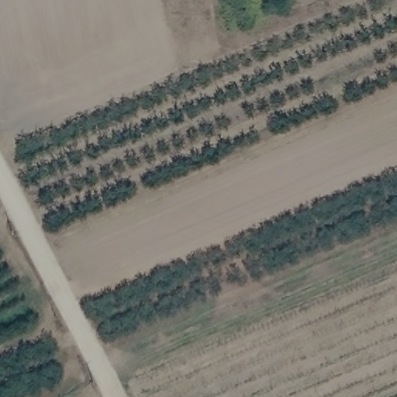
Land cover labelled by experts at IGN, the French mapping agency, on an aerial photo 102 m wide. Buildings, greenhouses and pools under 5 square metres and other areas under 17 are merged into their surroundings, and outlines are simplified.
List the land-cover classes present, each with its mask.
<instances>
[{"label":"agricultural land","instance_id":"1","mask_svg":"<svg viewBox=\"0 0 397 397\"><path fill-rule=\"evenodd\" d=\"M219 5V0H0V154L9 166L16 161L14 157L17 136L42 127L62 126L67 119L78 113H91L105 107L109 101L119 102L121 98H133L144 91L152 90L154 84L166 81L169 74L177 81L181 73H191L200 64L214 62V53L219 51L220 47L217 42L219 28L216 23V6ZM397 166V82L375 90L372 95L363 96L360 101L347 102L344 107H338L329 115H318L287 132L274 133L270 140L259 141L251 146L237 147L233 154L226 155L219 163L206 164L189 172L185 177L174 178L166 185L157 188H147L143 185L136 189L135 195L127 198L126 202H119L112 208L101 209L96 214H88L85 219L74 220L70 225L60 228L57 233H45L57 264L70 284L71 292L81 301L82 296L96 295L105 288H115L119 282L132 281L136 274H149L157 265L169 264L175 259L183 261L194 251H205L212 245L219 247L220 243L225 242L240 231L259 228L262 222L279 216L282 212L290 211L293 214L299 205H312L313 198L343 191L350 183L366 177H375L388 167ZM276 318L268 316L259 323L242 327L236 335H222L219 332L209 335L197 343L172 352L167 358H160L149 366L138 369L129 381V388L124 389L121 397H397V273L391 274L378 284L364 285L354 292L329 299L326 304L312 307L306 312L298 309L287 310L276 313Z\"/></svg>","mask_w":397,"mask_h":397},{"label":"deciduous trees","instance_id":"2","mask_svg":"<svg viewBox=\"0 0 397 397\"><path fill-rule=\"evenodd\" d=\"M233 8L237 28L240 31L253 28L256 20L251 19L245 11L247 0H222ZM295 5V0H262V11L278 16H290V8ZM360 17L366 19V9L361 8V5L352 8L343 6L337 16L324 14L315 22L296 25L293 33L285 34L284 39L274 36L261 47L254 45L253 50L231 54L226 59L214 62L200 64L191 73H181L177 81L169 74L166 81L154 84L152 90L144 91L133 98H121L119 102L109 101L105 107L91 113H78L67 119L62 126L42 127L17 136L14 157L16 161L9 166L23 188L34 185L42 177H50L60 169L64 171L65 167L71 164L76 166L84 158H98L102 152L123 146L127 141L140 140L146 133L149 135L157 130L166 129L171 124L181 123L185 116L194 118L203 110H208L211 105L225 104L226 101L239 98L237 85L231 82L226 87L216 90L212 96L192 99L181 107H172L169 115L164 118L155 116L143 119L141 124L123 129L121 132H113L112 136H99L98 143L87 144L85 149L60 152L57 160L33 166V158L36 155L47 154L48 150L64 146L65 141L76 140L88 132L105 129L116 121H123L127 116L135 115L138 110L152 109L166 101L167 96H180L181 91H194L195 87H206L209 82L222 78L223 74L234 73L240 67H248L251 62L264 60L265 57L278 54L279 51L288 50L295 43L309 42L315 33H324L327 29L332 31L338 26L349 25ZM397 31V16L386 17L385 23L366 26L350 36L346 34L337 40H330L309 54H301L285 62L271 64L270 71H257L253 76H243L240 79L243 90L250 95L257 87L281 81L284 74L298 73L299 68H309L312 64L323 62L327 57L354 50L360 47L361 43H369L375 37L381 39L386 33ZM374 56H375V60H377V62H383V60H385V59H386V57H391V56H397V47H395V43H394V42H391V43H389V45H388V48H385V50H375V51H374ZM397 82V67L394 65L388 70L377 71V78L364 79L361 84L347 82L343 91L344 101L347 102L360 101L363 96L372 95L375 90ZM312 79H302L299 84L288 85L285 90L273 91L268 98L243 102L242 109L245 115L251 118L264 112L268 118V130L274 133L287 132L318 115H329L338 107L333 96L323 95L310 104L301 105L299 109L290 112L282 110L285 101H292L299 95H307L312 91ZM189 140L194 141L197 136L212 135L211 123H200L197 127H189L186 130ZM259 141L257 130H248L247 133H240L234 138H223L217 141L216 146L203 144L202 149L191 150V154L186 157H174L171 163L160 164L152 171L144 172L141 175L143 185L147 188H157L166 185L174 178L185 177L189 172L206 164L219 163L226 155L233 154L237 147L251 146ZM169 149L163 140H160L155 146L141 147L140 152L136 154L132 149H127L126 157L121 160L116 158L104 164L99 172L87 167L84 177H71L74 191H81L85 185H96V181L109 178L113 172L126 171L129 167H136L144 161L154 160L155 155L166 154ZM397 219V166L388 167L375 177H366L350 183L343 191L313 198L312 205H299L293 214L290 211L282 212L279 216L262 222L259 228L240 231L225 242L226 250L234 257L248 250L243 265L250 271L251 278L257 281L274 270H281L287 264H296L301 257L309 256L316 251L330 250L338 243L360 239L369 234L374 226L388 225ZM70 194L65 181L60 180L39 189V205L43 206L45 203L53 202L56 197ZM102 197L96 200H81L79 208L73 206L71 211L67 208L60 212L48 211L43 216L42 225L45 233H57L60 228L70 225L74 220L85 219L88 214H96L101 209L112 208L119 202H126L127 198L135 195L136 189L133 181L118 180L115 185L102 189ZM226 261L222 248L219 247L212 245L205 251H194L183 261L175 259L169 264L157 265L149 274H136L132 281L119 282L115 288H105L96 295L82 296L81 301L79 304L82 312L85 318L90 319L91 326L95 327L102 343H110L116 338L129 335L138 329L140 324L150 323L158 316L167 318L175 315L177 310L188 309L191 302H205L206 290L219 295V279L214 276L203 278L202 268ZM19 276L9 268L0 248V343L17 333L33 332L39 324V313L29 307V299L25 295H20L17 288ZM39 344L34 347H17L3 350L0 354V397H43L42 388L53 389L64 375V366L54 360L57 343L51 337V333L42 335L37 340Z\"/></svg>","mask_w":397,"mask_h":397},{"label":"herbaceous vegetation","instance_id":"3","mask_svg":"<svg viewBox=\"0 0 397 397\"><path fill-rule=\"evenodd\" d=\"M361 5V8L366 9V19L360 17L349 25L338 26L332 31L327 29L324 33H315L309 42L295 43L288 50L279 51L278 54L265 57L264 60L251 62L248 67H240L234 73L223 74L222 78L209 82L206 87H195L194 91H181L180 96H167L166 101L152 109L138 110L135 115L127 116L123 121H116L105 129L88 132L76 140L65 141L64 146L48 150L47 154L36 155L33 158V166L57 160L60 152L85 149L87 144L98 143L99 136H112L113 132H121L123 129L141 124L143 119L155 116L164 118L169 115L172 107H181L192 99L212 96L216 90L226 87L231 82L237 85L239 98L226 101L225 104L211 105L208 110H203L194 118L185 116L181 123L171 124L166 129L157 130L149 135L146 133L140 140L127 141L123 146L102 152L98 158H84L76 166L71 164L65 167L64 171L60 169L50 177H42L34 185L23 188L34 217L42 225L43 216L48 211L60 212L67 208L71 211L73 206L79 208L81 200H96L102 197V189L115 185L118 180L133 181L136 189L143 185L141 175L144 172L152 171L160 164L171 163L174 157H186L191 154V150L202 149L203 144L216 146L217 141L223 138H234L240 133H247L248 130H257L259 141L270 140L274 133L268 130V118L264 112L251 118L245 115L242 109L243 102L268 98L273 91L285 90L288 85L299 84L302 79H312V91L307 95H299L292 101H285L282 110L290 112L299 109L301 105L310 104L323 95L333 96L338 107H344L347 102L344 101L343 91L347 82L361 84L364 79L377 78V71L388 70L394 65L397 67V56H391V57H386V59H385V60H383V62H377V60H375V56H374V51H375V50H385V48H388V45H389V43H391V42H394V43H395V47H397V31L386 33L381 39L375 37L369 43H361L360 47L354 50L327 57L323 62L312 64L309 68H299L298 73L284 74L281 81L257 87L250 95L243 90L240 79L243 76H253L257 71H270L271 64L285 62L301 54H309L330 40H337L346 34L350 36L366 26L385 23L386 17L397 16V0H295V5L290 8V16H278L276 20L268 22L256 31L253 28L240 31L237 28L234 31H226L223 25L219 28L217 42L220 47L219 51L214 53V62L226 59L231 54L253 50L254 45L261 47L274 36L284 39L285 34L293 33L296 25L315 22L324 14L337 16L343 6L352 8ZM200 123H211L212 135L197 136L194 141L189 140L186 130L189 127H197ZM160 140H163L169 149L166 154L155 155L154 160L144 161L136 167H129L126 171L113 172L109 178L96 181V185H85L81 191H74L71 177H84L87 167L99 172L104 164L116 158L121 160L126 157L127 149H132L136 154L140 152L141 147L155 146ZM60 180L65 181L70 194L56 197L53 202L45 203L43 206L39 205V189ZM0 248L9 268L19 276L17 288L20 295H25L29 299V307L39 313V324L33 332L17 333L0 343V354L3 350L17 347H34L39 344L37 340L42 335L51 333V337L57 343L54 360L64 366V375L53 389L42 388L43 397H104L99 392L98 383L88 368L87 361L74 343L70 330L65 326L59 309L47 292L42 276L23 245L16 226L9 219L5 205L0 200ZM219 247L222 248L226 261L202 268L203 278L214 276L219 279V295L206 290L205 302H191L188 309L177 310L175 315L167 318L158 316L150 323L140 324L138 329L129 335L116 338L110 343H102V349L124 389L129 388V381L138 369L149 366L160 358H167L172 352L197 343L209 335L219 332L222 335H236L242 327L259 323L268 316L276 318V313L287 310L298 309L306 312L312 307L326 304L329 299L354 292L364 285L378 284L391 274L397 273V219L388 225L374 226L369 234L360 239L338 243L330 250L316 251L309 256L301 257L296 264H287L281 270H274L257 281L251 278L250 271L243 265L248 250L234 257L226 250L225 242L220 243Z\"/></svg>","mask_w":397,"mask_h":397},{"label":"pervious surface","instance_id":"4","mask_svg":"<svg viewBox=\"0 0 397 397\"><path fill-rule=\"evenodd\" d=\"M0 200L5 205L9 219L16 226L23 245L42 276L47 292L59 309L65 326L70 330L74 343L87 361L88 368L98 383L99 392L104 397H121L124 389L102 349V343L95 327L91 326L90 319L85 318L82 312L79 304L81 301L71 292L70 284L57 264L45 233L42 225L34 217L23 188L9 166L0 154Z\"/></svg>","mask_w":397,"mask_h":397},{"label":"brushwood","instance_id":"5","mask_svg":"<svg viewBox=\"0 0 397 397\"><path fill-rule=\"evenodd\" d=\"M216 23L219 28L223 25L226 31H234L237 28L233 8L222 0H219V5L216 6ZM262 0H247L245 11L251 19L256 20L253 28L256 31L268 22L276 20L278 16L262 11Z\"/></svg>","mask_w":397,"mask_h":397}]
</instances>
